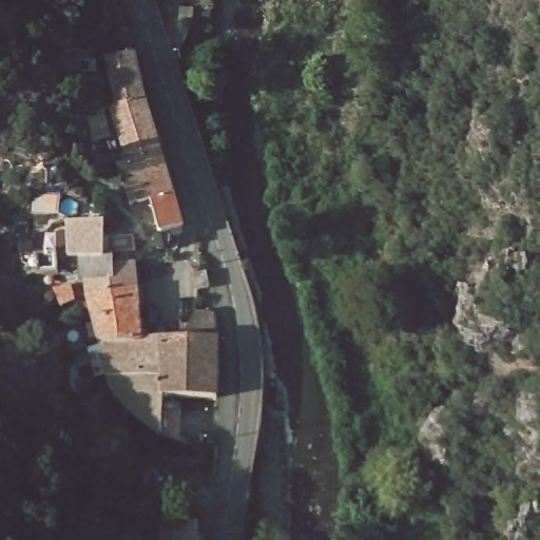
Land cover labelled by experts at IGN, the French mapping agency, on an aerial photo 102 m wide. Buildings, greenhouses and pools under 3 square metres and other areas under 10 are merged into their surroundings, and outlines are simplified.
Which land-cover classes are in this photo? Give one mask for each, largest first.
<instances>
[{"label":"deciduous trees","instance_id":"1","mask_svg":"<svg viewBox=\"0 0 540 540\"><path fill-rule=\"evenodd\" d=\"M133 13L124 0H0V59L4 57L8 65L17 72V80L11 82L6 89L15 91L17 101L25 103L32 110L30 120L23 129V141L27 143V148L15 150L19 158H23V162L13 165L11 158L0 156V226H8L11 221H15L17 213L23 207L32 209V203L38 196L57 194L59 209L68 217L99 213L105 209L110 192L120 188V179H116L114 175L118 173V160L122 154L116 116L120 97L110 86L108 70L116 65V55L120 51L133 49L137 46V42L133 40ZM177 4L181 6L177 13V32L184 38V46L192 53L188 61L186 84L198 97L196 114L207 122L213 150L226 148L228 131L219 114V101L213 97L215 82H221V74L217 72L219 65L213 61V53L219 44L232 46V42L230 36H226V32H221L219 36L215 34L211 15L213 0H177ZM342 15H346L348 19L340 30L333 32V46L348 61V70L344 72V76H350L352 72L359 74V84L352 89V99L361 105H365V99L371 95L369 91L373 82L380 78L378 46L386 44L382 32L384 19L378 15V0H346L342 4ZM327 61L319 53H312L306 59L302 80L308 91L316 93V97H325L329 93L323 80V68ZM525 114L534 122V129H529L523 135V139L517 141V148L510 150L504 175L513 177V184L502 186L500 190L506 203L513 200L510 192L525 188L527 207L534 221V230H525V236L519 243H513V247L517 251H525V255L529 251L540 253V103L525 101ZM281 162L278 148L274 141H268L264 148V198L270 238L281 259L283 272L295 289L300 319L304 325V338L308 342L310 363L314 365V369L329 411L331 447L338 460L340 477L338 506L333 513L331 534V540H430L426 538V527L430 525L428 521L432 513L422 510V506H426L424 498L428 496L432 485L418 477V473L409 466L411 454L422 447L420 424L411 418L409 405L399 403V394L394 390V380L407 378L411 369V363L405 356L409 333L386 331V325L394 316V304L390 297H384L378 289L382 274L373 270V262L363 253L327 257L323 268L329 283V302L342 304L340 327L352 331V338L365 348L369 378L375 386L378 399L384 405L386 418V428L380 432L378 445L367 454L363 468L359 473L348 470V460H352L350 439L363 428L361 416L350 409L348 394L340 386L342 378L333 365L325 363L323 348L319 346V340L312 331V316L319 314L316 295L312 281H308L302 274L297 264L302 243L297 238H291L289 221L285 219V211L291 209L295 203L293 198L281 200L278 196L274 167ZM510 300L502 302L498 314L494 316L506 323L508 329H515V333L523 342V350L513 352L515 361L525 359L536 365H540V257H536L532 266L525 264L523 270H515V281L508 283ZM89 314L86 302L80 304L76 300H70L61 304L63 323H76L78 319H84ZM167 437L156 430V424L150 426L135 418L114 397L108 384V375H97L93 371L89 350H78L70 340L49 348L46 340L42 338V323L36 319L25 321L17 331L0 329V540H171L175 527L179 532H190L203 517L200 496L192 489L188 481H173V477H169L160 491L158 487L141 479L139 466L146 460H156L160 456V447L165 445ZM454 481L449 494H456L468 504L460 523L456 525V540H483L481 534H477L473 496H491V489L500 483H510L513 496L508 506H513V510L517 513L521 504V489L525 487V481H521L515 475H506L504 468L487 454H479L475 458L458 449V454H445L443 464ZM257 536H253V540H289L287 532L262 519L255 532Z\"/></svg>","mask_w":540,"mask_h":540},{"label":"brushwood","instance_id":"2","mask_svg":"<svg viewBox=\"0 0 540 540\"><path fill-rule=\"evenodd\" d=\"M346 0H268L264 4L262 34L281 61L268 72L270 80L262 86V91L251 95V108L259 118H264L262 135L268 141H274L278 148L281 162L274 167L278 196L281 200L293 198L295 203L291 209L285 211V219L289 221L291 238H297L302 243L297 264L302 274L308 281H312L316 295L319 314L312 316V331L319 340V346L323 348L325 363L333 365L342 378L340 386L348 394L350 409L361 416L363 428L350 439L352 460H348V470L359 473L363 468L367 454L378 445L380 432L386 428V418L384 405L378 399L375 386L369 378L365 348L352 338V331L340 327L342 304L329 302V283L323 268L327 257L363 253L373 262V270L382 274L378 289L384 297H390L394 304V316L386 325V331L409 333L405 356L411 363V369L407 378L394 380V390L399 394V403L409 405L411 418L420 424L424 418L428 422H435L437 416H432L430 411L439 405H443L449 411V416H443L439 420L443 426L439 445L445 449V454H458V449L475 458L479 454H487L504 468L506 475H515V451L521 447L523 439L504 435V428H519L521 432H525L523 422L517 418V399L521 392H532L536 399L534 420L538 426L536 430L540 451V365H536L534 371L519 369L508 375H502L491 367L489 359L500 354L508 363L515 361L513 352L523 350V342L515 333V329H508L504 338L487 335V340L481 342L479 352L470 344H466L454 325L458 302L456 287L458 283L466 281L468 274H473L475 266H489L475 304L481 308L483 314L494 316L498 314L502 302L510 300L508 283L515 281V270H523L525 264L532 266L536 257H540V253L529 251L525 255V251H517L513 247V243H519L525 236V221H521L515 215H506L500 224L496 238H473L466 232L470 226L487 228V209H498V203H494L489 196H485L479 203L470 192H464L456 175V165L466 162L468 156L466 137L470 131V120L483 122L489 129V137L483 139V152H487V158L481 165V188L487 192L494 181H498L504 175L510 150L517 148V141L523 139V135L529 129H534V122L525 114V101L540 103V0H378V15L384 19L382 32L386 44L378 46L380 78L373 82L369 91L371 95L365 99V105H361L352 99V89L359 84V74L352 72L350 76H344V72L348 70V61L333 46V32L340 30L348 19L346 15H342V4ZM312 53H319L327 61L323 68V80L329 93L325 97H316V93L308 91L302 80L306 59ZM17 80V72L8 65L4 57L0 59V156L11 158L13 165L23 162V158H19L15 150L27 148V143L23 141V129L30 120L32 110L25 103L17 101L15 91L6 89L11 82ZM409 466L418 473V477L432 485L428 496L424 498L426 506H422V510L432 513L428 521L430 525L426 527V538L430 540H456V525L460 523L468 504L456 494H449L454 481L443 464H439L432 458L430 449L422 447L411 454ZM513 496L510 483H500L491 489V496H473L477 534H481L483 540H510L506 536L513 527L510 519L517 517V513L513 510V506H508ZM538 500V510L527 513L525 534L519 540H540V489L536 491L534 487H525L521 489V504Z\"/></svg>","mask_w":540,"mask_h":540},{"label":"impervious surface","instance_id":"3","mask_svg":"<svg viewBox=\"0 0 540 540\"><path fill-rule=\"evenodd\" d=\"M133 13V40L137 42V46L133 49L137 55V65L141 70V84L156 127V137L160 139L165 165L169 169V177L181 211V226L162 232L156 230L152 226V213L148 203H129L127 190L120 188L110 192L105 209L99 213L103 217V251L112 255V270L118 272L124 268L129 259L135 262L139 287V319L143 335L158 331H177L179 323L190 321L196 310H209L215 316L217 397L213 401L194 399L190 407H181L179 437H167L165 445L160 447V456L156 460H146L139 466L141 479L158 487L160 491L169 477H173V481H188L192 489L200 496L203 517L207 519L205 540H253V536H257L255 532L262 519L287 532L289 540H331V534L325 525H319L314 513L308 510L316 485L308 473L289 468V443L285 439L283 428V413H289V405L302 409V382L314 369V365L310 363L308 342L304 338V325L300 319L295 289L283 272L281 259L270 238L264 198L251 196L243 188H236L232 192L230 186H217L209 165L213 160V150L207 122L196 114L198 97L186 84L188 61L192 53L184 46V38L177 32V13L181 6L177 4V0H124Z\"/></svg>","mask_w":540,"mask_h":540},{"label":"building","instance_id":"4","mask_svg":"<svg viewBox=\"0 0 540 540\"><path fill-rule=\"evenodd\" d=\"M110 86L120 97L116 116L122 154L118 160V173L114 175L116 179H120V188L127 190L129 203H148L152 213V226L156 230L162 232L181 226V211L169 177V169L165 165L160 139L156 137V127L141 84V70L137 65V55L133 49L120 51L116 55V65L108 70ZM34 226L44 234V243L40 249L25 255V268L32 274H42L44 285H49V289L55 291L57 302L61 304L70 300H76L80 304L86 302L89 314L97 338V344L89 346V350L93 371L97 375H108V384L114 397L135 418L150 426L156 424V430L167 437H179L181 407H190L194 399L213 401L217 397L215 316L209 310H196L190 321L179 323L177 331H158L143 335L139 319V287L135 262L129 259L124 268L118 272L112 270V255L103 251V217L99 213L68 217L59 209L57 194L38 196L32 203V209ZM207 519L203 517L190 532H179L175 527L171 540H205Z\"/></svg>","mask_w":540,"mask_h":540},{"label":"herbaceous vegetation","instance_id":"5","mask_svg":"<svg viewBox=\"0 0 540 540\"><path fill-rule=\"evenodd\" d=\"M489 137V129L483 122L470 120V131L466 137L468 156L466 162L456 165V175L464 192H470L479 203L485 196H489L494 203H498V209H487V228L470 226L466 232L473 238H496L500 224L506 215H515L521 221H525V230H534V221L527 207L525 188L510 192L513 200L506 203L500 190L502 186L513 184V177L504 175L498 181H494L487 192L481 188V165L487 158V152H483V139ZM44 243V234L34 226L32 209L23 207L17 213L15 221H11L8 226H0V329L17 331L25 321L36 319L42 323V338L46 340L49 348L70 340L78 350H89V346L97 344V338L89 314L84 319H78L76 323H63L61 304L57 302L55 291L49 289V285H44L42 274H32L25 268V255L40 249ZM489 266H475L473 274H468L466 281L458 283L456 287L458 302L454 325L466 344H470L479 352L481 342L487 340V335L504 338L508 329L506 323L494 316L483 314L481 308L475 304ZM491 367L502 375H508L519 369L534 371L536 365L525 359L515 361L508 363L500 354L489 359ZM536 399L532 392H521L517 399V418L523 422L525 432H521L519 428H504V435L523 439L521 447L515 451V475L521 481H525V487H534L536 491L540 489V451L536 430L538 426L534 420ZM432 416H437L435 422H428L424 418L420 424L422 447L430 449L432 458L439 464H443L445 454V449L439 445L443 426L439 420L443 416H449V411L443 405H439L430 411ZM538 510V500L521 504L517 513V517L510 519L513 527L506 536L510 540H519L525 534L527 513Z\"/></svg>","mask_w":540,"mask_h":540},{"label":"water","instance_id":"6","mask_svg":"<svg viewBox=\"0 0 540 540\"><path fill-rule=\"evenodd\" d=\"M268 0H213L211 15L215 34L219 36L221 32H226V36H230L232 42V46L219 44L213 53V61L219 65L217 72L221 74V82H215L213 97L219 101V114L228 131L226 148L213 150V160L209 165L217 186H230L232 192L236 188H243L251 196L264 198V148L268 141L262 135L264 118H259L251 108V95L262 91V86L270 80L268 72L281 61L262 34L264 4ZM283 428L285 439L289 443V468L308 473L316 485L308 510L314 513L319 525H325L331 534L333 513L338 506L340 477L338 460L331 447L329 411L314 369L302 382V409L289 405V413H283Z\"/></svg>","mask_w":540,"mask_h":540}]
</instances>
